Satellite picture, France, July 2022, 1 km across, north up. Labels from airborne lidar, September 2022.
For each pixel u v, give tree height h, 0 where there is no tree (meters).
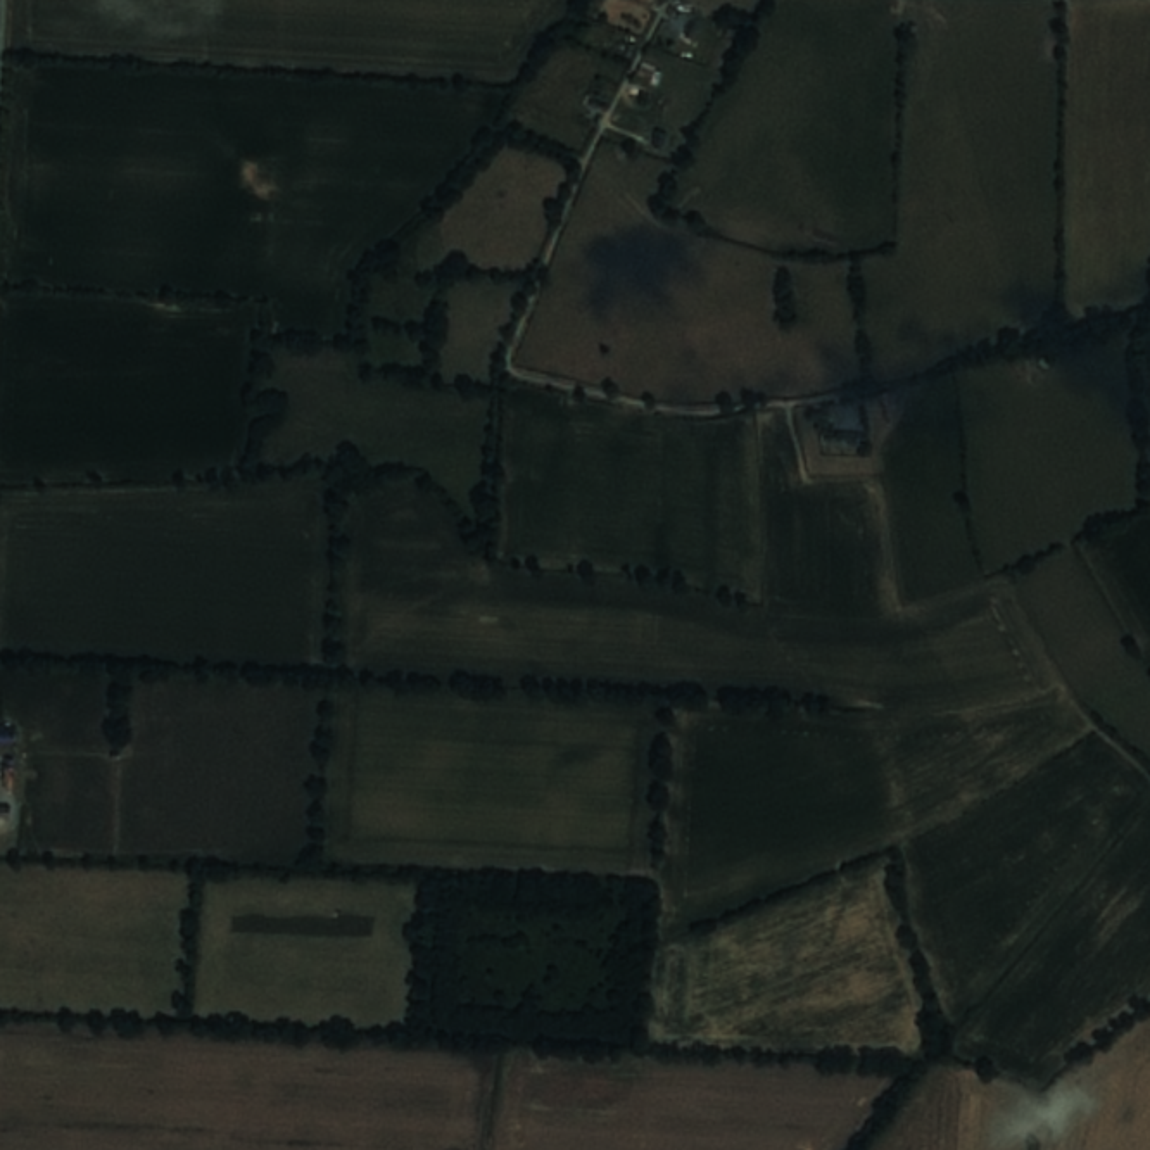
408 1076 0
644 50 6
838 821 0
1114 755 0
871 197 0
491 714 0
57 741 0
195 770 0
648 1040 16
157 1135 0
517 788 0
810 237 0
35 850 0
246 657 0
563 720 0
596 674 0
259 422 8
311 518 0
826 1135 0
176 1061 0
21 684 0
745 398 12
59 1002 0
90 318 0
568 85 0
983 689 0
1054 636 0
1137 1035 0
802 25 0
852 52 0
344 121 0
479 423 0
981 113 0
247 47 0
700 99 0
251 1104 0
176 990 0
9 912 0
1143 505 14
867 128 0
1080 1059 15
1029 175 0
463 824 0
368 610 0
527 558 0
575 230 0
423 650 0
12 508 0
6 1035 0
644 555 0
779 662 0
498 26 0
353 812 0
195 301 10
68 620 0
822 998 0
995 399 0
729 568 0
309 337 11
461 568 0
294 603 0
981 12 0
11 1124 0
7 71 10
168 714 0
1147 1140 0
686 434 0
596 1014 9
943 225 0
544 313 0
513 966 0
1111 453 0
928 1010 11
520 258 0
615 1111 0
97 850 0
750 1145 0
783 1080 0
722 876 0
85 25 0
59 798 0
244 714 0
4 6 0
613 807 0
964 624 0
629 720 0
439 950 11
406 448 0
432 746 0
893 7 0
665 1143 0
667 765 18
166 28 0
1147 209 0
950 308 0
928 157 0
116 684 10
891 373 0
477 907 7
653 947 17
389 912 0
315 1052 0
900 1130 0
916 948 8
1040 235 0
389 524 0
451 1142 0
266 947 0
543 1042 17
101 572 0
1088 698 0
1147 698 0
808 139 0
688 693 16
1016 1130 0
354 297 9
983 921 0
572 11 8
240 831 0
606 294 0
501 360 15
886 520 0
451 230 0
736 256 0
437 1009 10
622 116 0
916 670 0
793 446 0
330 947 0
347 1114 0
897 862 9
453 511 7
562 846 0
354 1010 0
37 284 10
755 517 0
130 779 0
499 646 0
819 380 0
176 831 0
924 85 0
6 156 12
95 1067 0
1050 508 0
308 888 0
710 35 0
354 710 0
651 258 0
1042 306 0
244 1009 0
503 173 0
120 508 0
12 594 0
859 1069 17
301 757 0
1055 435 0
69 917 0
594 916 8
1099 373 0
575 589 0
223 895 0
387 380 14
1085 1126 0
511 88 10
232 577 0
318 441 0
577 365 0
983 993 0
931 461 0
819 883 7
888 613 0
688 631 0
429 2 0
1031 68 0
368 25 0
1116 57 0
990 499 0
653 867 6
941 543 0
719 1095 0
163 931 0
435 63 0
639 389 0
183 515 0
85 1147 0
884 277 0
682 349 0
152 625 0
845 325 0
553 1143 0
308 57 0
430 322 16
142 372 0
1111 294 0
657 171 0
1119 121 0
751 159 0
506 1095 0
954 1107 0
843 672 0
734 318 0
